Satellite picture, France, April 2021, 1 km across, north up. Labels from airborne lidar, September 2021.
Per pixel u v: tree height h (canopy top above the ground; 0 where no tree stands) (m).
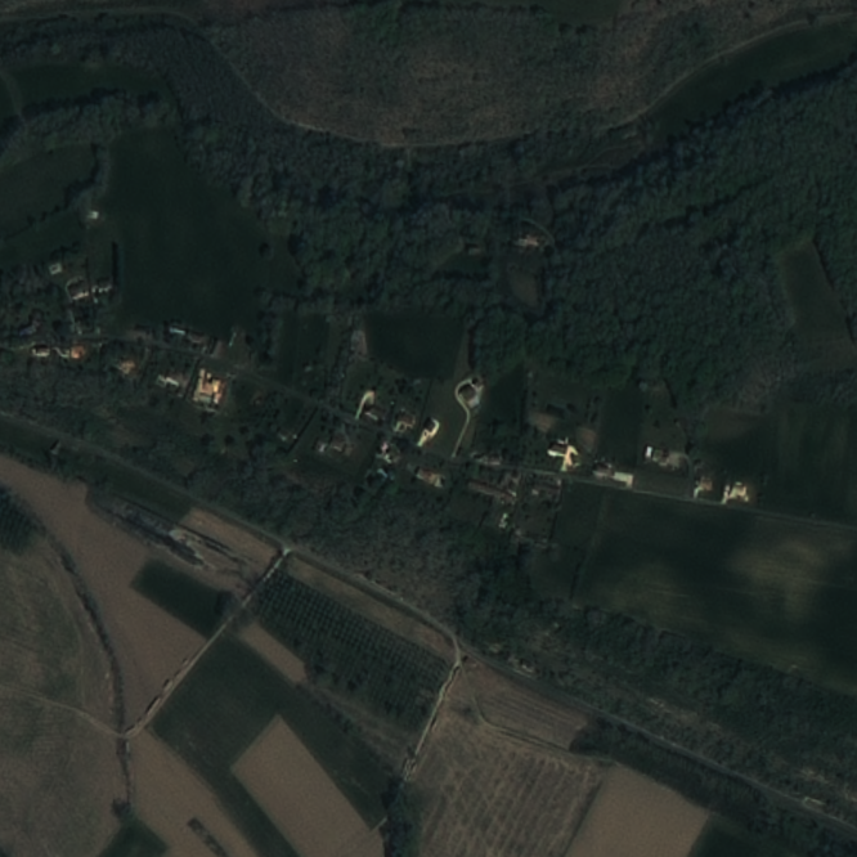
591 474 6
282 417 10
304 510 28
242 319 0
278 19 18
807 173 26
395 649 15
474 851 0
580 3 0
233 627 12
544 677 11
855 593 0
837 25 0
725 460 0
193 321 0
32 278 10
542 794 0
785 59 0
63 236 0
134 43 23
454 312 19
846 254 23
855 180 20
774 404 0
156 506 0
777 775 7
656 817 0
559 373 17
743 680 19
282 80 14
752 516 0
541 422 0
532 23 20
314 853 0
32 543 8
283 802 0
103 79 0
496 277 8
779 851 0
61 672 0
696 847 0
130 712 0
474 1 0
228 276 0
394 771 12
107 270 0
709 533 0
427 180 18
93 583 0
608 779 0
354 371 0
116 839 0
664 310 20
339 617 18
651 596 0
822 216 25
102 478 0
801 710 9
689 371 21
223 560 0
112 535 0
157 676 0
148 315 0
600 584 0
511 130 9
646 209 33
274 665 0
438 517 15
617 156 0
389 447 6
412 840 36
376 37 23
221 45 17
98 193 15
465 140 10
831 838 16
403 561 17
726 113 14
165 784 0
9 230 0
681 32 23
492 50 16
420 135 12
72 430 17
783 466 0
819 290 0
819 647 0
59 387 25
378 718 0
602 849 0
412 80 13
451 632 19
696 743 11
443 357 0
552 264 17
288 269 0
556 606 10
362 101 19
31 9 7
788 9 6
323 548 17
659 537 0
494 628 11
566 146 17
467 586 19
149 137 0
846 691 0
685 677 21
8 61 20
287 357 0
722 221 21
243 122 23
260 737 0
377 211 13
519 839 0
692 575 0
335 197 20
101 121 19
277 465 26
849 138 11
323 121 9
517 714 0
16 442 0
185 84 23
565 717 0
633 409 0
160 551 0
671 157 13
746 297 22
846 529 0
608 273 22
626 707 13
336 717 16
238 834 0
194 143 24
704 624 0
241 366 0
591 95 11
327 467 0
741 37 11
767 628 0
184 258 0
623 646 8
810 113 24
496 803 0
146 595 0
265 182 23
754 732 6
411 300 15
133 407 21
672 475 0
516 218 8
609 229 11
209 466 7
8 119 0
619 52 10
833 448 0
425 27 19
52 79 0
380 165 13
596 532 0
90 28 11
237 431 0
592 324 30
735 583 0
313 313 13
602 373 20
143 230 0
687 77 11
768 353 17
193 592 0
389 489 19
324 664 17
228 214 0
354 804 0
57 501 0
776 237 23
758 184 21
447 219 28
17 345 14
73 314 8
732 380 17
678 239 22
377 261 25
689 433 14
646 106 16
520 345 22
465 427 0
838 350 0
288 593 19
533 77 19
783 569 0
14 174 0
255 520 14
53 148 14
